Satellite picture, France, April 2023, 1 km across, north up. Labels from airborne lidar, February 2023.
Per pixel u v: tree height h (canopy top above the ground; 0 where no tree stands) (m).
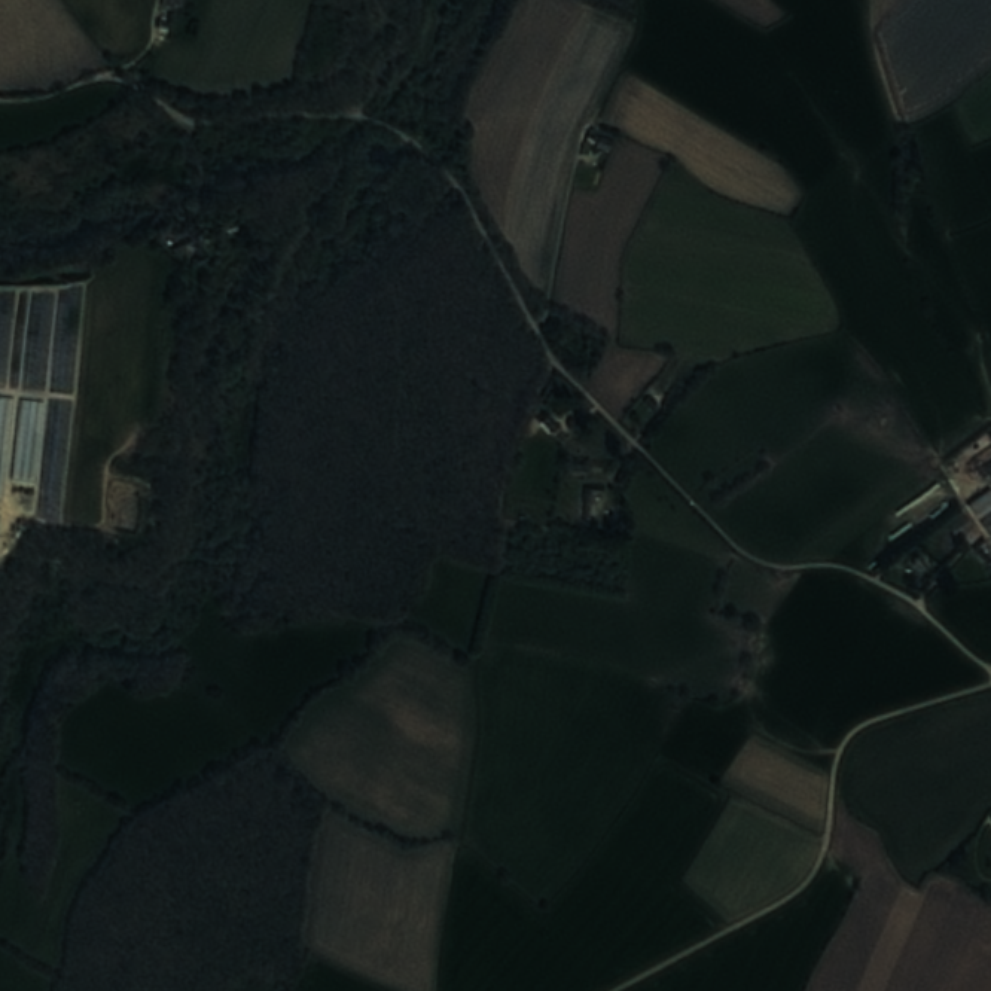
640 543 0
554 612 0
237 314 14
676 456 0
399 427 13
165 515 13
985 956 0
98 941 14
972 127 0
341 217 14
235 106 15
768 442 0
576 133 0
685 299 0
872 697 0
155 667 16
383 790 0
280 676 0
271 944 14
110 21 0
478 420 13
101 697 0
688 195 0
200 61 0
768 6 0
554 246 0
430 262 13
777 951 0
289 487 12
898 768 0
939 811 0
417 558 13
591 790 0
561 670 0
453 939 0
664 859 0
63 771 8
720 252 0
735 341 0
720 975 0
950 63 0
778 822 0
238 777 18
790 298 0
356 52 13
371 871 0
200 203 18
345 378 13
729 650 0
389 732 0
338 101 17
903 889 0
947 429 0
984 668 0
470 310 15
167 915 13
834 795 0
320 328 14
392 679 0
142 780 0
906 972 0
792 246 0
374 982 0
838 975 0
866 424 0
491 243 12
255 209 14
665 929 0
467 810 0
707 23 0
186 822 15
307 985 0
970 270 0
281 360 24
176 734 0
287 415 12
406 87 8
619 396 0
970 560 0
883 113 0
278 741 9
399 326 13
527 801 0
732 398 0
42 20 0
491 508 20
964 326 0
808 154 0
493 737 0
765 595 0
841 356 0
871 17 0
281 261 15
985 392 0
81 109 0
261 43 0
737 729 0
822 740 0
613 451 20
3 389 0
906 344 0
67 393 0
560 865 0
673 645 0
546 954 0
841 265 0
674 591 0
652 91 0
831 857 0
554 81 0
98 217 9
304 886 11
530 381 15
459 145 8
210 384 29
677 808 0
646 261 0
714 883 0
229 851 15
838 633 0
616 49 0
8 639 9
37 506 0
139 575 19
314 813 11
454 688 0
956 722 0
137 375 0
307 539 11
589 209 0
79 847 0
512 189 0
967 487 0
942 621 0
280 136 11
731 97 0
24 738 12
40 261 13
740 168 0
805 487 0
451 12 7
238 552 15
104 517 0
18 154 9
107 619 17
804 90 0
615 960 0
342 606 13
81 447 0
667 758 0
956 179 0
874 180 0
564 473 7
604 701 0
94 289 0
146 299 0
